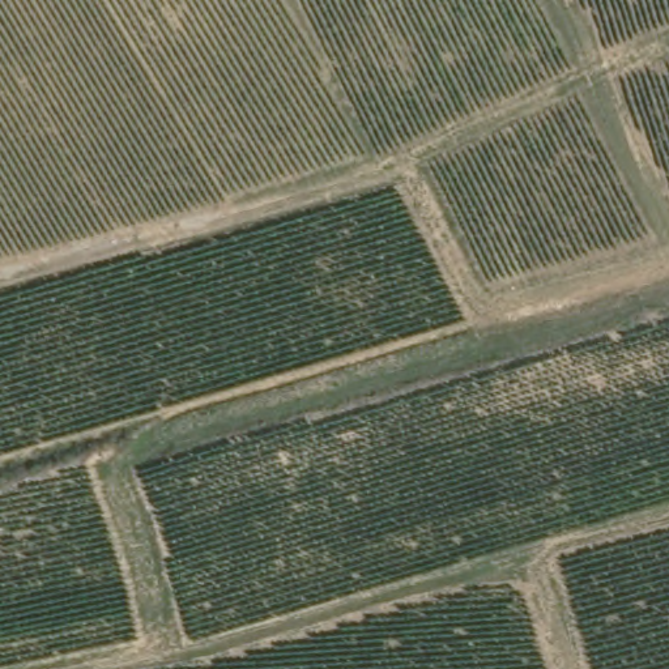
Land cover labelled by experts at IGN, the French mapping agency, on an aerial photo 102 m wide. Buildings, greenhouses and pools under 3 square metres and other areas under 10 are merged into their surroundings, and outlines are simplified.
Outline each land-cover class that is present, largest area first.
<instances>
[{"label":"vineyard","instance_id":"1","mask_svg":"<svg viewBox=\"0 0 669 669\"><path fill-rule=\"evenodd\" d=\"M564 68V52L559 50L557 37L551 34L536 0H0V256L78 240L86 235L107 233L120 225L149 222L157 217H167L172 212H188L193 206L220 204L225 193L240 186L272 180L274 175L329 162L342 154H387L389 146L413 141L416 136L434 131L436 125L463 112L483 107L489 99L515 94L528 84H538L549 78L554 71ZM583 8H593V18L601 31L604 47L669 21V0H578ZM666 73L635 71L619 78L622 99L627 105L632 125L645 133L653 159L666 172L669 186V55H664ZM447 159L431 157V165L418 167V175H423L431 186V193L463 256H473L481 267V274L489 280L551 261L575 259L593 248H609L619 240H635L645 235L630 196L617 183V172L609 162L606 149L598 139L591 136V118L585 107L580 102H572L562 107H546L538 115L520 120L517 131L510 136L489 139L478 149H468L463 154L447 152ZM470 329L457 303L452 301L449 287L444 285L436 261L429 253L418 227L413 225L400 193L392 186H379L350 199H335L327 204L267 217L251 225L230 227L222 233L199 235L154 253L131 251L57 274L0 287V465L125 429L131 423H139L141 431H152L162 418H172L186 410L272 389L319 371L353 366L366 358L387 355L402 348L423 345ZM476 379L481 384L491 382L494 395L473 413L452 408L449 397L455 392V384L447 382L376 405H363L340 416H329L321 421L272 423L248 431L251 442L230 444L227 439H217L209 444H196L183 452H178L175 444L167 442L159 457L136 465L139 478L144 481V489L152 504L157 507L162 523V533L170 549L167 570L175 585V598L188 638H204L220 630L267 619L272 614L295 612L382 583L449 567L460 559L504 551L512 546L544 541L564 530L601 525L622 515L669 504V319L638 324L632 329H625L622 335L617 329H609V337L578 342L567 350V355L559 358L544 353L517 358L491 371H481L476 374ZM133 640L125 585L107 536V525L102 520L99 504L86 476V455L0 481V666L47 659L52 653ZM559 567L570 591L572 612L578 617V630L583 635L591 669H669V528L578 549L575 554L559 557ZM172 669H546L541 651L536 645L533 622L523 593L512 585H468L463 593L439 596L436 601L423 604H402L397 612L368 614L361 622H345L327 632H314L303 640H282L272 648L248 651L246 656L217 659L209 666Z\"/></svg>","mask_w":669,"mask_h":669},{"label":"herbaceous vegetation","instance_id":"2","mask_svg":"<svg viewBox=\"0 0 669 669\"><path fill-rule=\"evenodd\" d=\"M551 34L557 37L559 50L564 52V68L554 71L549 78L538 84H528L515 94L489 99L483 107L463 112L436 125L434 131L416 136L413 141L389 146L387 154H342L329 162L274 175L272 180L240 186L225 193L220 204L193 206L188 212H172L167 217H157L149 222L120 225L107 233L86 235L78 240L0 256V287L57 274L131 251L154 253L199 235L222 233L230 227L251 225L267 217L327 204L335 199H350L379 186H392L400 193L413 225L418 227L429 253L436 261L444 285L449 287L452 301L457 303L470 329L423 345L402 348L387 355L366 358L353 366L319 371L272 389L186 410L172 418H162L152 431H141L139 423H131L125 429L131 434L128 442L86 455V476L99 504L102 520L107 525V536L125 585L133 640L52 653L47 659L0 666V669H172L209 666L217 659L246 656L248 651L272 648L282 640H303L314 632H327L345 622H361L368 614L397 612L402 604H423L436 601L439 596L463 593L468 585H512L523 593L533 622L536 645L541 651L546 669H591L583 635L578 630V617L572 612L570 591L559 567V557L575 554L578 549L669 528V504L622 515L601 525L564 530L544 541L512 546L504 551L460 559L449 567L382 583L295 612L272 614L267 619L220 630L204 638H188L175 598V585L167 570L170 549L162 533V523L157 507L152 504L144 489V481L139 478L136 465L159 457L167 442L175 444L178 452H183L196 444H209L217 439H227L230 444L251 442L248 431L272 423L321 421L329 416H340L363 405H376L447 382L455 384V392L449 397L452 408L473 413L494 395L491 382L481 384L476 379V374L481 371H491L517 358L544 353L559 358L567 355V350L578 342L609 337V329H617L622 335L625 329H632L638 324L669 319V186L666 172L653 159L645 133L632 125L627 105L622 99L619 78L635 71L666 73L664 55H669V21L604 47L601 31L593 18V8H583L578 0H536ZM572 102H580L585 107L591 118V136L598 139L606 149L609 162L617 172V183L630 196L645 235L635 240H619L609 248H593L575 259L551 261L489 280L481 274V267L473 256H463L431 193V186L423 175H418V167L431 165V157L447 159V152L463 154L468 149H478L489 139L510 136L517 131L520 120L538 115L546 107H562Z\"/></svg>","mask_w":669,"mask_h":669},{"label":"brushwood","instance_id":"3","mask_svg":"<svg viewBox=\"0 0 669 669\"><path fill-rule=\"evenodd\" d=\"M131 434L125 429L0 465V481L86 455L128 442Z\"/></svg>","mask_w":669,"mask_h":669}]
</instances>
